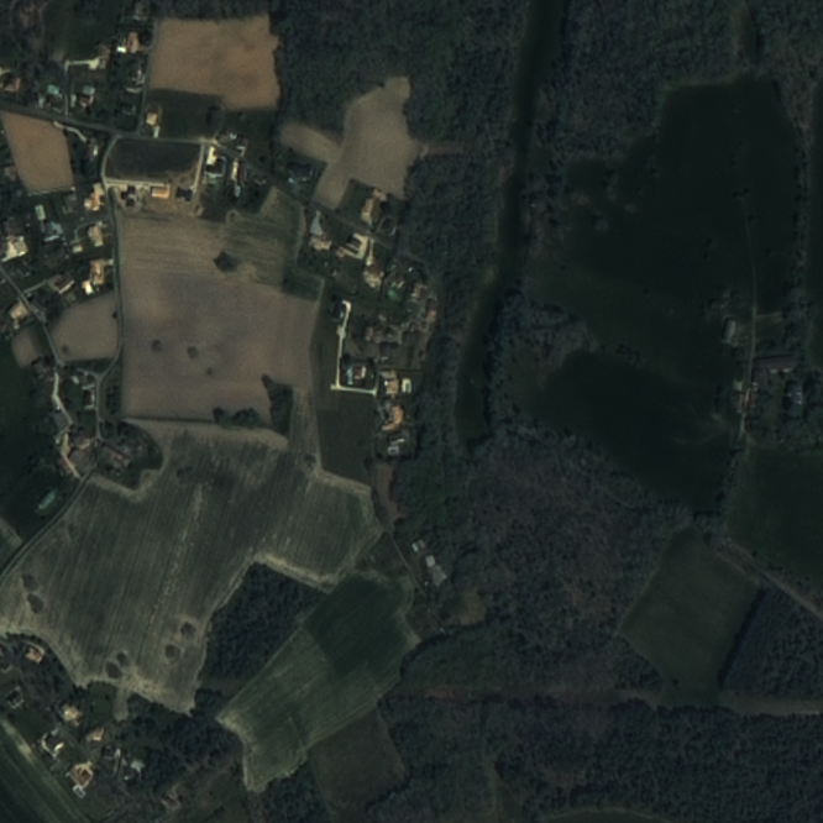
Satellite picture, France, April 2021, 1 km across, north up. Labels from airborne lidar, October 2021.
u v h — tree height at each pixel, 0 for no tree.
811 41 25
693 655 0
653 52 16
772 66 21
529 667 23
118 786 13
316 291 0
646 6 14
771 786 14
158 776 13
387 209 12
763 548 0
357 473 0
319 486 0
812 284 0
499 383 17
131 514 0
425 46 23
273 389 11
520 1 16
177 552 0
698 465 0
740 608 0
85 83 0
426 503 21
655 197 0
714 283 0
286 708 0
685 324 0
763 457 0
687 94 0
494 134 16
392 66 23
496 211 15
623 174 0
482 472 19
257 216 0
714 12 20
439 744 22
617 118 12
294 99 22
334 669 0
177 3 17
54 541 0
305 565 0
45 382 13
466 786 18
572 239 0
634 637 0
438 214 9
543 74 0
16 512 0
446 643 15
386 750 0
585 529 15
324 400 0
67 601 0
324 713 0
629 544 12
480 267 14
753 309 0
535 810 13
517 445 20
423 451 17
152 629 0
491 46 18
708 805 9
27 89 17
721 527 16
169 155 0
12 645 10
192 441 0
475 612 0
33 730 0
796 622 17
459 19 15
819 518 0
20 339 0
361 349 12
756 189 0
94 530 0
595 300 0
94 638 0
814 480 0
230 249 0
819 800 8
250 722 0
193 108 0
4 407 0
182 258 0
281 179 6
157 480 0
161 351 10
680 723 17
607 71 10
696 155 0
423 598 6
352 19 14
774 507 0
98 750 0
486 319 0
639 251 0
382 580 0
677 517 19
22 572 0
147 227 0
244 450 0
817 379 13
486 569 19
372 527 0
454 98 19
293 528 0
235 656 10
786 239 0
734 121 0
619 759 18
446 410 21
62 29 0
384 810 16
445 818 21
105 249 0
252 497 0
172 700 0
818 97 0
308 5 23
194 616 0
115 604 0
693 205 0
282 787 13
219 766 17
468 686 14
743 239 0
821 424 21
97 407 0
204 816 0
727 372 0
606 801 18
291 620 7
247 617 7
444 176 15
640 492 15
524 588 10
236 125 0
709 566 0
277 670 0
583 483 11
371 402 0
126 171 0
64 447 0
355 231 0
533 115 0
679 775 15
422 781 21
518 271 0
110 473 9
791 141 0
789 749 11
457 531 18
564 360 15
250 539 0
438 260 6
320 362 0
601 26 8
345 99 20
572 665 18
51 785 0
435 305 6
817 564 0
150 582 0
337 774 0
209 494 0
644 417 0
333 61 21
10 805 0
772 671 12
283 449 0
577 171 0
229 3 21
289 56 23
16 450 0
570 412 0
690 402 0
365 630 0
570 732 17
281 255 0
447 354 22
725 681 16
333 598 0
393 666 0
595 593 18
